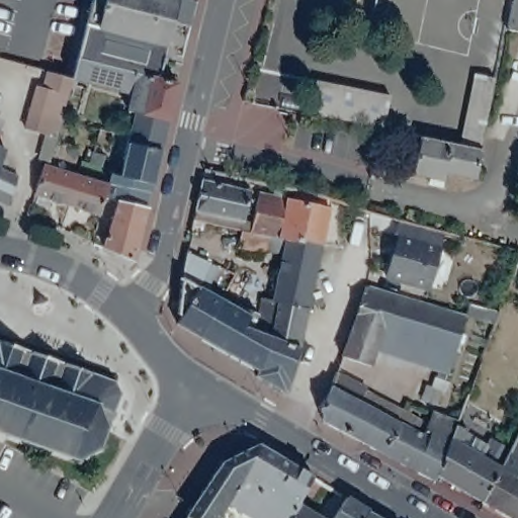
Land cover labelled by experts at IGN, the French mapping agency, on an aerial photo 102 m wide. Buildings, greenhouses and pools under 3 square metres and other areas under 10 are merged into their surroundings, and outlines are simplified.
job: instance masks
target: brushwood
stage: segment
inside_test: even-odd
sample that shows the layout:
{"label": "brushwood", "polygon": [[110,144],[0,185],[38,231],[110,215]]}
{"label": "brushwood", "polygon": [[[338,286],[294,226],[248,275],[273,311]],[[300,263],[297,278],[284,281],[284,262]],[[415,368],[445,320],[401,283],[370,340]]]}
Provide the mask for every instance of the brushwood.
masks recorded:
{"label": "brushwood", "polygon": [[117,204],[109,200],[101,217],[89,217],[85,223],[71,223],[69,227],[73,233],[103,245],[109,237]]}
{"label": "brushwood", "polygon": [[459,411],[463,405],[465,399],[476,401],[480,397],[480,382],[476,378],[480,374],[486,350],[480,346],[465,344],[465,350],[469,354],[476,354],[476,362],[471,366],[469,378],[461,382],[461,386],[453,386],[453,391],[457,391],[457,401],[449,405],[437,407],[419,403],[415,399],[409,399],[405,407],[405,413],[421,415],[421,431],[429,429],[433,413],[451,415],[459,419]]}
{"label": "brushwood", "polygon": [[498,121],[498,111],[504,101],[506,83],[512,77],[512,59],[518,55],[518,28],[510,26],[502,24],[502,36],[496,53],[498,75],[494,77],[494,97],[490,105],[488,123],[484,125],[490,134]]}

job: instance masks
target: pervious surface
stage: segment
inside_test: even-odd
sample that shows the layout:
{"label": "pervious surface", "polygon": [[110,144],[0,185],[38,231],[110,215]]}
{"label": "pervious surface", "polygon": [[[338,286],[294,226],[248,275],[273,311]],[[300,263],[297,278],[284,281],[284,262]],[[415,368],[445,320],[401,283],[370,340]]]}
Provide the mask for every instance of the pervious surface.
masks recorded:
{"label": "pervious surface", "polygon": [[362,217],[358,217],[350,239],[340,235],[336,241],[326,241],[322,245],[322,271],[318,275],[318,287],[312,299],[306,338],[299,344],[295,344],[291,356],[299,362],[299,366],[289,389],[289,397],[293,401],[306,405],[314,399],[316,407],[328,405],[332,380],[340,368],[346,356],[346,344],[356,322],[362,304],[362,293],[366,287],[366,283],[362,281],[368,259],[364,233],[372,227],[370,217],[374,212],[366,210]]}

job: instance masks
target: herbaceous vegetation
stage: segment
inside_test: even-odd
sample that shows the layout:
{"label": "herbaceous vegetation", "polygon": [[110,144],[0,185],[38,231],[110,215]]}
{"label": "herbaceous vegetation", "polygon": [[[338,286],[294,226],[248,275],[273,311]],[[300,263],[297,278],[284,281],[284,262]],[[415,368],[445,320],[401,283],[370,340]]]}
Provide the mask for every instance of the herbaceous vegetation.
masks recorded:
{"label": "herbaceous vegetation", "polygon": [[105,471],[119,451],[117,437],[111,431],[107,431],[105,441],[99,447],[101,453],[95,457],[95,467]]}
{"label": "herbaceous vegetation", "polygon": [[73,105],[73,109],[77,111],[87,91],[87,85],[79,83],[79,89],[69,97],[67,103]]}
{"label": "herbaceous vegetation", "polygon": [[447,192],[473,190],[480,186],[480,176],[447,176],[443,180],[445,188]]}
{"label": "herbaceous vegetation", "polygon": [[30,459],[30,465],[34,467],[36,476],[59,476],[75,488],[79,488],[83,494],[93,490],[101,482],[97,476],[81,473],[77,469],[79,463],[53,457],[49,453],[45,457]]}
{"label": "herbaceous vegetation", "polygon": [[119,95],[113,101],[107,93],[93,91],[89,93],[85,113],[79,113],[79,117],[85,121],[109,121],[117,119],[117,115],[130,117],[132,95]]}
{"label": "herbaceous vegetation", "polygon": [[382,279],[384,271],[389,271],[391,267],[397,249],[397,235],[393,235],[389,229],[380,231],[372,227],[364,233],[368,259],[362,281],[366,283],[366,287],[370,285],[374,291],[376,287],[393,289],[397,285],[393,281]]}
{"label": "herbaceous vegetation", "polygon": [[85,162],[89,162],[87,152],[103,152],[109,158],[103,170],[111,176],[121,174],[127,144],[123,136],[117,138],[117,144],[113,148],[111,144],[107,144],[105,130],[99,130],[97,140],[89,140],[87,130],[77,127],[77,146],[69,150],[67,162],[73,162],[77,166],[85,166]]}
{"label": "herbaceous vegetation", "polygon": [[463,405],[473,407],[480,413],[490,413],[490,419],[494,423],[500,423],[504,421],[504,411],[500,409],[500,399],[510,389],[518,389],[518,310],[514,308],[514,304],[506,304],[500,310],[500,318],[494,324],[490,346],[486,350],[480,374],[476,378],[480,382],[480,397],[476,401],[465,399]]}
{"label": "herbaceous vegetation", "polygon": [[447,281],[441,287],[433,289],[433,297],[443,301],[443,308],[451,306],[453,310],[467,314],[471,304],[480,306],[482,297],[478,291],[484,287],[480,279],[486,267],[494,263],[494,251],[494,245],[486,241],[465,239],[463,245],[459,245],[455,239],[447,239],[441,253],[447,253],[451,257],[451,271]]}

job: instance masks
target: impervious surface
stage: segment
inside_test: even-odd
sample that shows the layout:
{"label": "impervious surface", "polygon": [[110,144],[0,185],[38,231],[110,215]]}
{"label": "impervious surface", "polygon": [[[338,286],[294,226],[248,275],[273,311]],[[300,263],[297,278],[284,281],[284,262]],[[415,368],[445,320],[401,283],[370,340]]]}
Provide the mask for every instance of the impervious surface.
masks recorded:
{"label": "impervious surface", "polygon": [[437,378],[437,374],[431,372],[427,366],[405,362],[403,368],[391,368],[386,364],[368,364],[360,358],[346,356],[340,368],[360,376],[364,384],[393,399],[399,399],[401,407],[405,407],[409,399],[415,399],[417,395],[425,395],[427,386],[431,386]]}
{"label": "impervious surface", "polygon": [[287,200],[297,198],[304,202],[330,206],[326,241],[336,241],[340,235],[340,198],[334,198],[330,194],[312,196],[308,192],[293,192],[293,184],[285,186],[287,192],[283,194]]}
{"label": "impervious surface", "polygon": [[500,310],[480,306],[471,304],[467,314],[465,328],[457,344],[453,372],[447,372],[443,376],[443,380],[447,380],[451,386],[449,405],[457,401],[457,391],[453,391],[453,386],[461,386],[461,382],[469,378],[471,366],[476,362],[476,354],[469,354],[465,350],[465,344],[480,346],[486,350],[490,346],[494,324],[500,318]]}
{"label": "impervious surface", "polygon": [[[65,362],[77,364],[91,372],[99,372],[105,376],[115,374],[117,378],[127,376],[136,380],[134,411],[123,427],[125,433],[117,437],[119,451],[105,471],[105,478],[101,482],[93,490],[83,494],[79,488],[75,488],[59,476],[36,476],[34,467],[30,465],[30,459],[22,455],[22,451],[16,451],[20,443],[20,437],[0,431],[0,518],[188,518],[188,510],[192,508],[194,500],[204,490],[221,461],[257,443],[267,443],[275,451],[283,453],[289,461],[295,461],[301,469],[310,471],[310,480],[314,480],[314,486],[318,486],[320,492],[314,498],[306,498],[304,504],[328,518],[334,518],[346,498],[362,502],[364,506],[368,506],[384,518],[498,518],[482,508],[480,500],[453,492],[451,486],[445,482],[421,482],[417,476],[419,469],[413,465],[405,465],[397,455],[376,449],[364,439],[358,439],[358,443],[354,443],[326,429],[324,417],[316,415],[316,407],[314,399],[306,405],[293,401],[289,397],[289,389],[283,391],[273,382],[267,382],[263,376],[257,376],[253,368],[247,370],[231,360],[225,360],[214,350],[202,346],[204,336],[178,324],[178,301],[186,255],[196,255],[198,259],[204,259],[217,267],[214,277],[210,279],[212,291],[245,310],[251,310],[251,304],[257,301],[257,293],[261,293],[263,297],[273,297],[277,271],[281,267],[281,257],[277,253],[273,255],[269,249],[263,251],[263,259],[259,261],[237,257],[235,243],[243,241],[243,233],[253,231],[257,206],[251,204],[245,225],[217,221],[217,225],[204,225],[202,221],[196,221],[196,202],[200,196],[202,178],[214,180],[219,184],[237,182],[239,186],[243,186],[245,182],[223,176],[223,170],[231,162],[243,162],[245,168],[283,166],[291,168],[295,174],[324,174],[326,178],[332,178],[330,186],[354,186],[358,192],[368,190],[372,200],[395,200],[401,208],[395,219],[374,212],[370,217],[372,227],[380,231],[389,229],[391,223],[417,227],[419,225],[415,221],[415,214],[423,214],[425,210],[455,217],[465,225],[463,235],[445,229],[437,233],[445,235],[447,239],[455,239],[459,245],[463,245],[465,239],[486,241],[494,245],[494,251],[498,247],[504,247],[504,243],[518,243],[518,55],[512,59],[512,77],[506,83],[504,101],[498,111],[498,121],[490,134],[494,140],[482,142],[482,160],[478,162],[480,176],[480,186],[473,190],[447,192],[445,188],[417,186],[409,184],[407,180],[399,186],[386,184],[382,178],[372,176],[366,170],[366,164],[360,158],[370,152],[372,144],[380,140],[380,136],[391,134],[395,127],[415,130],[417,144],[421,146],[423,138],[437,138],[461,144],[473,89],[473,77],[494,77],[498,75],[496,53],[502,36],[502,24],[510,26],[510,12],[514,4],[512,0],[194,0],[192,18],[188,22],[192,26],[188,57],[182,67],[174,63],[172,69],[172,73],[176,75],[172,79],[174,85],[186,93],[186,111],[180,111],[176,125],[168,123],[168,136],[162,142],[162,156],[158,168],[158,176],[164,178],[162,188],[146,202],[148,206],[152,206],[146,227],[146,231],[150,233],[148,249],[138,257],[125,257],[121,253],[105,249],[103,245],[73,233],[69,227],[71,223],[85,223],[89,217],[85,210],[71,208],[67,202],[55,202],[51,198],[40,196],[36,198],[36,190],[42,182],[45,170],[45,162],[40,158],[45,136],[26,130],[22,123],[28,121],[34,93],[38,87],[45,87],[49,73],[71,77],[75,73],[85,26],[89,22],[91,0],[0,0],[0,132],[2,144],[6,148],[6,164],[14,166],[18,174],[12,204],[0,208],[0,340],[26,346],[34,352],[57,356]],[[314,32],[312,24],[318,10],[330,10],[332,14],[342,16],[350,16],[352,10],[364,10],[370,22],[380,24],[386,24],[391,20],[397,22],[403,18],[411,28],[417,51],[399,75],[384,73],[378,67],[378,63],[364,51],[356,51],[354,59],[340,61],[340,65],[334,65],[328,73],[312,71],[304,63],[310,59],[310,40]],[[265,81],[263,85],[257,83],[255,87],[247,89],[249,71],[255,65],[255,47],[263,34],[267,34],[267,53],[259,63],[259,71],[261,75],[265,75]],[[445,91],[443,105],[437,109],[431,109],[429,105],[419,105],[413,97],[417,85],[431,73],[435,73]],[[346,138],[336,138],[332,134],[299,134],[297,140],[287,136],[285,123],[291,123],[289,111],[297,109],[297,105],[293,103],[295,87],[304,79],[318,81],[384,93],[391,99],[391,111],[384,117],[378,117],[374,123],[370,136],[360,146]],[[26,235],[32,227],[57,227],[57,231],[65,239],[63,247],[47,249],[32,243]]]}
{"label": "impervious surface", "polygon": [[439,269],[433,279],[433,289],[441,287],[447,281],[451,271],[451,257],[447,253],[441,253]]}
{"label": "impervious surface", "polygon": [[463,405],[459,411],[459,419],[463,421],[463,429],[469,433],[467,441],[492,441],[496,437],[500,423],[494,423],[490,419],[490,413],[480,413],[473,407]]}
{"label": "impervious surface", "polygon": [[113,101],[119,95],[107,87],[87,85],[87,91],[77,111],[79,113],[85,113],[89,93],[93,91],[107,93]]}
{"label": "impervious surface", "polygon": [[253,186],[253,200],[259,200],[259,194],[267,194],[269,190],[265,188],[263,180],[249,178],[247,182],[249,186]]}

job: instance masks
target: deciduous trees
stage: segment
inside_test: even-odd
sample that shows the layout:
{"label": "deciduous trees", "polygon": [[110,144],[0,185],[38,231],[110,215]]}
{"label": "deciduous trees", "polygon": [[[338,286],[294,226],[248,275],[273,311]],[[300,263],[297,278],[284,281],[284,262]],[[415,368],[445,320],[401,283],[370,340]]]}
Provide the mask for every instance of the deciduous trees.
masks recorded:
{"label": "deciduous trees", "polygon": [[318,87],[318,81],[304,79],[295,87],[293,103],[297,105],[297,109],[289,111],[291,123],[285,123],[287,136],[297,140],[299,134],[332,134],[336,138],[346,138],[360,146],[370,136],[374,123],[346,121],[322,115],[322,91]]}
{"label": "deciduous trees", "polygon": [[415,221],[419,225],[417,227],[423,231],[437,233],[445,229],[463,235],[465,225],[455,217],[425,210],[423,214],[415,214]]}
{"label": "deciduous trees", "polygon": [[358,217],[362,217],[366,210],[374,212],[395,219],[401,208],[395,200],[372,200],[368,190],[358,192],[354,186],[330,186],[332,178],[326,178],[324,174],[295,174],[291,168],[283,166],[245,168],[243,162],[231,162],[223,170],[223,176],[245,182],[247,182],[249,178],[263,180],[265,188],[269,190],[275,196],[283,194],[287,192],[285,186],[293,184],[293,192],[308,192],[312,196],[330,194],[334,198],[340,198],[340,235],[350,239]]}
{"label": "deciduous trees", "polygon": [[429,105],[431,109],[437,109],[443,105],[445,91],[435,73],[431,73],[417,85],[413,97],[419,105]]}
{"label": "deciduous trees", "polygon": [[518,437],[518,389],[510,389],[500,399],[500,409],[504,411],[504,421],[500,423],[496,437],[500,441],[516,441]]}
{"label": "deciduous trees", "polygon": [[45,457],[49,453],[32,445],[20,443],[16,451],[22,451],[22,455],[30,459]]}
{"label": "deciduous trees", "polygon": [[265,75],[261,75],[259,71],[259,63],[267,53],[267,34],[263,34],[255,47],[255,65],[249,71],[247,89],[255,87],[257,83],[263,85],[265,81]]}
{"label": "deciduous trees", "polygon": [[117,138],[123,136],[132,136],[134,132],[130,117],[117,115],[117,119],[109,121],[85,121],[79,117],[79,113],[77,111],[73,109],[73,105],[67,103],[63,107],[67,138],[59,138],[59,142],[69,150],[77,146],[77,127],[87,130],[89,140],[97,140],[99,130],[105,130],[107,144],[111,144],[113,148],[117,144]]}
{"label": "deciduous trees", "polygon": [[263,259],[263,251],[247,251],[243,247],[243,241],[235,243],[237,257],[259,261]]}
{"label": "deciduous trees", "polygon": [[97,476],[101,482],[105,478],[105,471],[95,467],[95,457],[79,463],[77,469],[81,473]]}
{"label": "deciduous trees", "polygon": [[478,291],[482,297],[480,306],[500,310],[506,304],[514,304],[514,308],[518,310],[518,243],[504,243],[504,247],[498,247],[494,251],[494,263],[486,267],[480,279],[484,287]]}
{"label": "deciduous trees", "polygon": [[47,249],[63,247],[65,239],[57,231],[57,227],[32,227],[26,235],[32,243]]}
{"label": "deciduous trees", "polygon": [[342,16],[332,14],[330,10],[318,10],[312,24],[314,32],[310,40],[310,59],[304,63],[312,71],[328,73],[334,65],[340,65],[340,61],[354,59],[356,51],[364,51],[378,63],[378,67],[384,73],[399,75],[417,51],[411,28],[403,18],[397,22],[391,20],[386,24],[380,24],[370,22],[364,10],[352,10],[350,16]]}
{"label": "deciduous trees", "polygon": [[380,136],[380,140],[372,144],[370,152],[360,158],[366,164],[366,170],[372,176],[382,178],[386,184],[399,186],[407,180],[417,170],[421,146],[417,144],[415,130],[395,127],[391,134]]}

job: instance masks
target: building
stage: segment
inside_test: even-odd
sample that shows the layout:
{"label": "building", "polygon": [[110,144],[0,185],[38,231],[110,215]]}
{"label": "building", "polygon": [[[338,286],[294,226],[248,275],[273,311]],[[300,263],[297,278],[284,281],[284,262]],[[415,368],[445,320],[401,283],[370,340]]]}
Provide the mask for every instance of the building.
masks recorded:
{"label": "building", "polygon": [[196,221],[202,221],[204,225],[217,225],[217,221],[245,225],[251,204],[257,206],[253,231],[243,233],[243,241],[243,247],[247,251],[263,251],[269,249],[273,255],[277,253],[281,257],[281,267],[277,271],[273,297],[263,297],[261,293],[257,293],[257,301],[251,304],[251,310],[245,310],[212,291],[210,279],[214,277],[217,267],[204,259],[198,259],[196,255],[186,255],[178,301],[178,324],[204,336],[202,346],[214,350],[225,360],[231,360],[247,370],[253,368],[257,376],[263,376],[267,382],[273,382],[283,391],[289,389],[299,366],[299,362],[291,356],[295,344],[299,344],[306,338],[312,299],[318,287],[318,275],[322,271],[322,245],[326,241],[330,206],[304,202],[297,198],[287,200],[283,194],[275,196],[269,190],[267,194],[259,194],[259,200],[253,200],[253,186],[249,186],[247,182],[245,182],[243,186],[239,186],[237,182],[219,184],[214,180],[202,178],[200,196],[196,202]]}
{"label": "building", "polygon": [[6,164],[6,148],[2,144],[0,132],[0,208],[12,204],[18,174],[14,166]]}
{"label": "building", "polygon": [[473,77],[473,89],[461,144],[437,138],[423,138],[421,146],[417,170],[407,180],[409,184],[417,186],[445,188],[443,180],[447,176],[480,176],[478,162],[482,160],[482,142],[494,140],[490,134],[484,125],[488,123],[490,105],[494,97],[494,77]]}
{"label": "building", "polygon": [[318,87],[322,91],[322,115],[346,121],[374,123],[378,117],[384,117],[391,111],[391,99],[384,93],[318,81]]}
{"label": "building", "polygon": [[[103,245],[105,249],[121,253],[125,257],[138,257],[148,249],[150,233],[146,231],[146,227],[152,206],[148,206],[146,202],[162,188],[164,178],[158,176],[158,168],[162,156],[162,142],[168,136],[168,123],[176,125],[180,111],[186,111],[186,93],[174,85],[172,79],[176,75],[172,73],[172,69],[174,63],[182,67],[188,57],[192,26],[188,22],[192,18],[194,0],[91,0],[89,22],[85,26],[75,73],[71,77],[49,73],[45,87],[38,87],[34,93],[28,121],[22,123],[26,130],[45,136],[40,158],[45,162],[45,170],[42,182],[36,190],[36,198],[40,196],[51,198],[55,202],[67,202],[71,208],[85,210],[89,217],[101,217],[109,200],[117,204],[109,237]],[[77,166],[73,162],[67,162],[69,150],[59,142],[59,138],[67,138],[63,107],[67,103],[69,97],[79,89],[79,83],[87,85],[107,87],[119,95],[132,95],[130,117],[134,132],[132,136],[123,136],[127,144],[121,174],[111,176],[103,170],[109,158],[103,152],[87,152],[89,162],[85,162],[85,166]]]}
{"label": "building", "polygon": [[204,490],[194,500],[192,508],[188,510],[188,518],[328,518],[304,504],[306,498],[314,498],[320,492],[318,486],[314,486],[314,480],[310,480],[310,471],[301,469],[295,461],[289,461],[283,453],[275,451],[267,443],[257,443],[221,461]]}
{"label": "building", "polygon": [[332,380],[328,405],[316,407],[316,415],[324,417],[326,429],[354,443],[358,443],[358,439],[364,439],[376,449],[397,455],[405,465],[413,465],[419,469],[417,476],[421,482],[445,482],[451,486],[453,492],[480,500],[482,508],[498,518],[518,518],[518,437],[516,441],[500,441],[496,437],[492,441],[467,441],[469,433],[463,429],[463,421],[459,419],[451,415],[433,413],[429,429],[421,431],[421,415],[405,413],[405,407],[401,407],[399,399],[393,399],[364,384],[360,376],[340,368]]}
{"label": "building", "polygon": [[364,506],[362,502],[346,498],[334,518],[384,518],[368,506]]}
{"label": "building", "polygon": [[514,4],[510,12],[510,26],[518,28],[518,0],[512,0]]}
{"label": "building", "polygon": [[20,443],[32,445],[49,453],[53,457],[79,463],[95,457],[101,453],[99,447],[105,441],[107,431],[111,431],[117,437],[125,433],[123,427],[134,411],[136,380],[127,376],[117,378],[115,374],[105,376],[99,372],[91,372],[77,364],[65,362],[57,356],[34,352],[26,346],[0,340],[0,431],[20,437]]}
{"label": "building", "polygon": [[397,235],[397,249],[391,267],[389,271],[384,271],[382,279],[393,281],[397,285],[393,289],[376,287],[374,291],[370,285],[366,287],[362,293],[362,304],[356,322],[346,344],[346,356],[360,358],[368,364],[386,364],[391,368],[403,368],[405,362],[427,366],[431,372],[437,374],[437,378],[431,386],[427,386],[425,395],[417,395],[415,399],[419,403],[437,407],[449,405],[451,386],[447,380],[443,380],[443,376],[447,372],[453,372],[457,344],[465,328],[467,314],[453,310],[451,306],[443,308],[443,301],[433,297],[433,289],[433,279],[439,269],[441,253],[447,239],[445,235],[437,233],[423,231],[417,227],[391,223],[389,229],[393,235]]}

